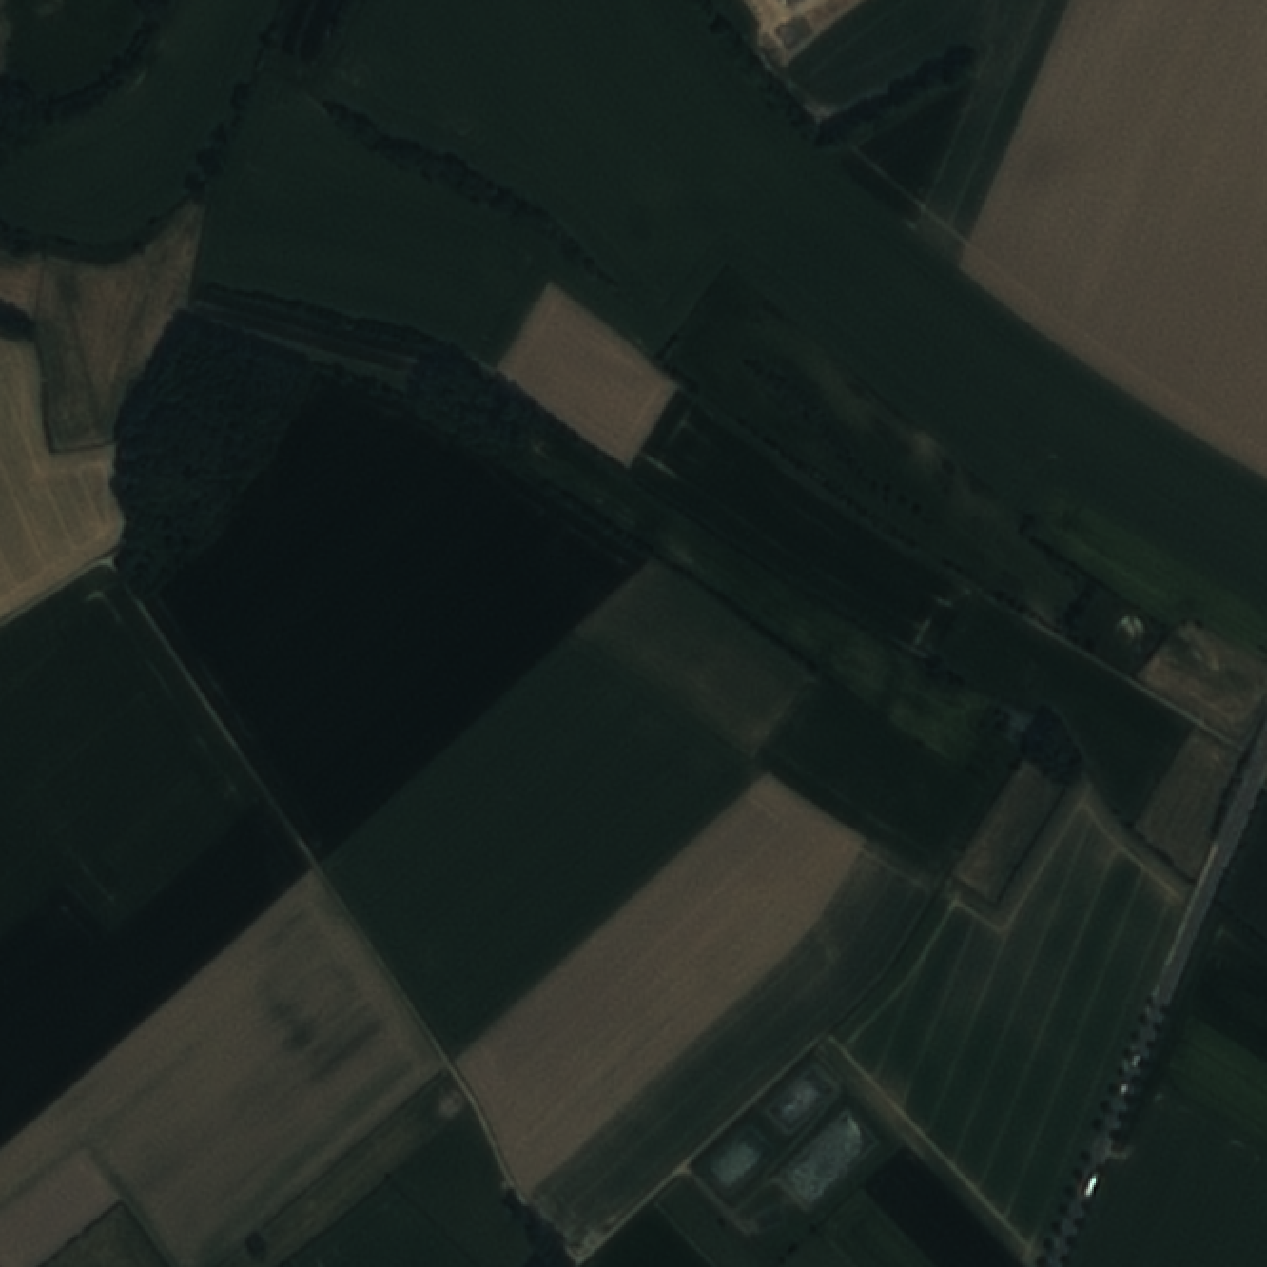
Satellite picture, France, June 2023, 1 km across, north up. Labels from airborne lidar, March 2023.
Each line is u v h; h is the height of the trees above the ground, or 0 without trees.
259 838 0
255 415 21
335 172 0
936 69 16
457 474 0
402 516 0
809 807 0
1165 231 0
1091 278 0
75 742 0
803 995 0
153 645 0
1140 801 0
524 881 0
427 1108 0
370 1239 0
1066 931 0
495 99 0
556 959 0
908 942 0
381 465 0
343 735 0
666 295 0
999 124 0
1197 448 0
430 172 10
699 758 0
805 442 0
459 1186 0
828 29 0
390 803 0
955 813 0
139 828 0
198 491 22
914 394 0
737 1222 0
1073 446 0
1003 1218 0
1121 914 0
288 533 0
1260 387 0
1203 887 0
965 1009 0
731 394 0
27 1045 0
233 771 0
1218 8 0
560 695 0
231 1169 0
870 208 0
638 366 0
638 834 0
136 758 0
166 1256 0
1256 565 0
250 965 0
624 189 0
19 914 0
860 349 0
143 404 20
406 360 0
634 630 0
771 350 0
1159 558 0
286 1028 0
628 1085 0
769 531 0
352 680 0
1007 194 0
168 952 0
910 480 0
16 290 0
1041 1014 0
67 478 0
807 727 0
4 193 0
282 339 0
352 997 0
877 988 0
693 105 0
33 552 0
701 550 0
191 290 0
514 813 0
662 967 0
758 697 0
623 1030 0
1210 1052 0
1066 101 0
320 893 0
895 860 0
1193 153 0
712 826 0
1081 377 0
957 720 0
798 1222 0
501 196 15
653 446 0
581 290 0
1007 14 0
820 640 0
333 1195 0
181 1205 0
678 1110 0
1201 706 0
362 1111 0
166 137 0
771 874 0
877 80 0
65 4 0
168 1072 0
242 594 0
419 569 0
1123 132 0
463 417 25
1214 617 0
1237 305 0
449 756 0
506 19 0
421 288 0
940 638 0
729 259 0
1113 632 0
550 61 0
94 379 0
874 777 0
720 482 0
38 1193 0
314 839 0
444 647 0
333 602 0
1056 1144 0
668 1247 0
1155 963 0
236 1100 0
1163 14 0
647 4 0
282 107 0
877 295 0
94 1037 0
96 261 0
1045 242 0
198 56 0
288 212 0
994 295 0
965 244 0
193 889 0
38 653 0
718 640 0
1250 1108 0
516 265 0
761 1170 0
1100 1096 0
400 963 0
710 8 14
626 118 0
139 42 6
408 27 0
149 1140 0
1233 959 0
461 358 23
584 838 0
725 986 0
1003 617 0
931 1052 0
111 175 0
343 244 0
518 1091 0
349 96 0
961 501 0
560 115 0
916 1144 0
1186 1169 0
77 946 0
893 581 0
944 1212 0
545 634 0
